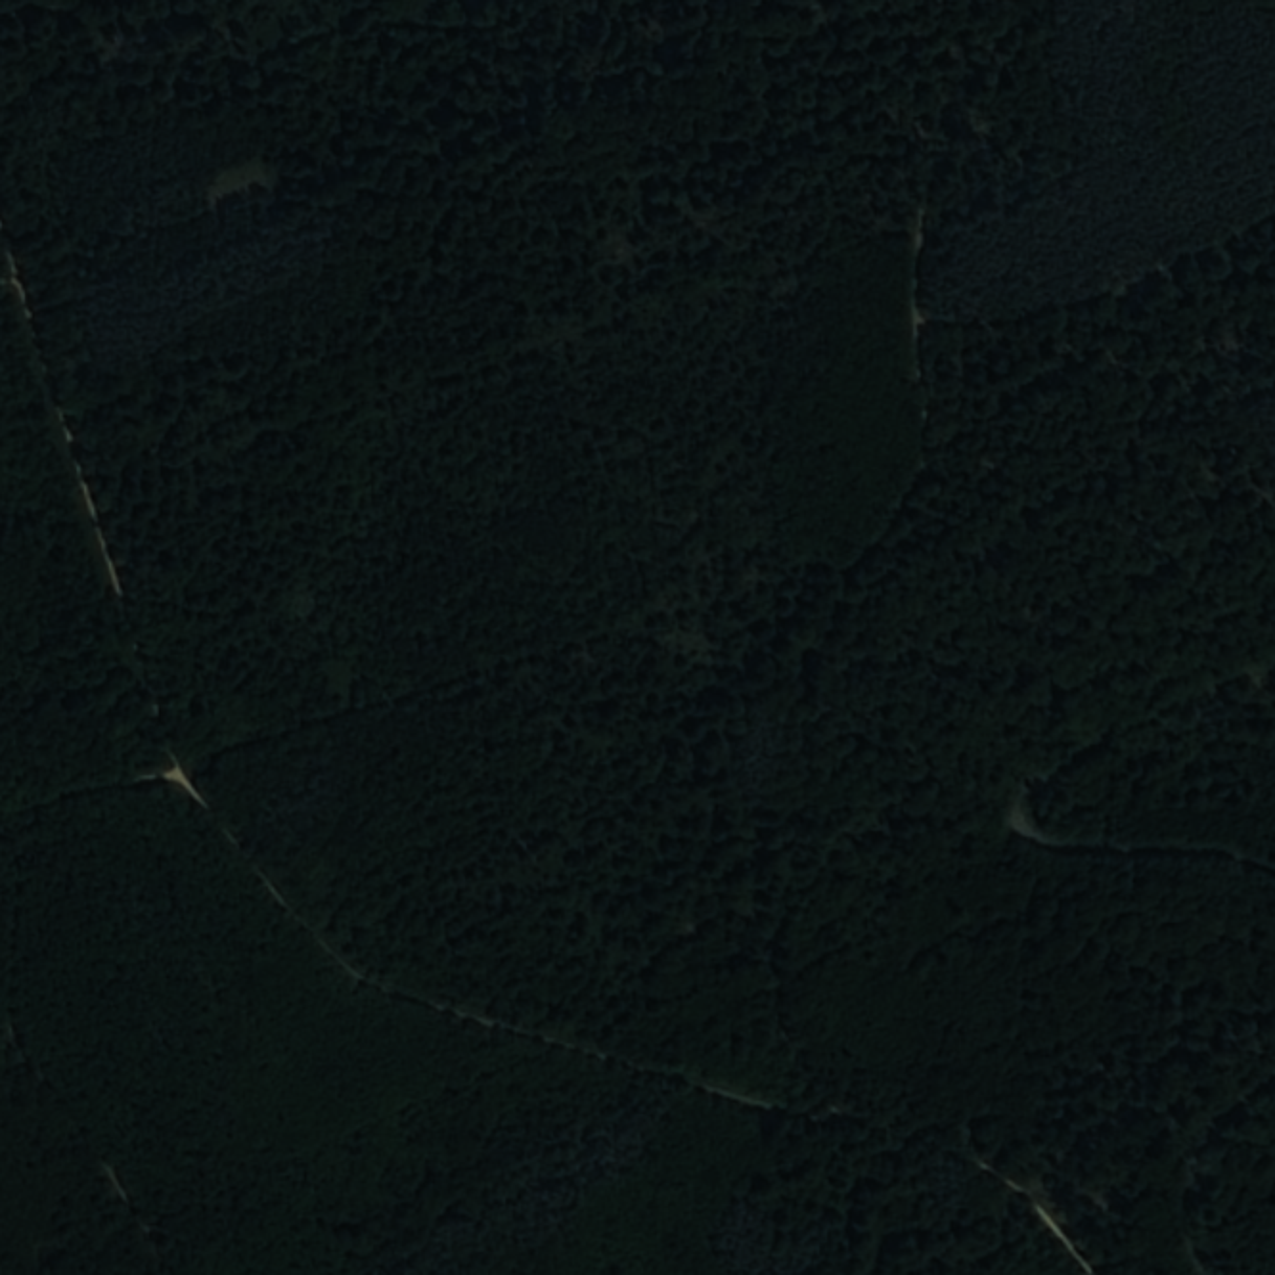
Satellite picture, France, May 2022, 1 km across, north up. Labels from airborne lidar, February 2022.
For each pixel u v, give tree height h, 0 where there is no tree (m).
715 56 33
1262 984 14
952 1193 23
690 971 15
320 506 22
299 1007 13
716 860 19
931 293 19
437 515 9
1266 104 24
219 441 16
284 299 13
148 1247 11
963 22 15
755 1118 13
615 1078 14
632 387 7
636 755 13
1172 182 23
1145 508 31
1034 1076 17
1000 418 15
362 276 12
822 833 31
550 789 8
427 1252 23
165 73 12
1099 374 31
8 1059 12
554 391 13
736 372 14
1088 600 33
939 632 29
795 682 23
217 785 17
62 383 22
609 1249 10
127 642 12
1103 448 29
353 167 19
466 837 9
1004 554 30
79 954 19
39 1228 14
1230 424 29
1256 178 24
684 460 11
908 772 30
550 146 31
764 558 12
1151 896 18
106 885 18
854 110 32
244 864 15
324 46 15
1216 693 34
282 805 15
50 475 8
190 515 18
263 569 14
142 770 11
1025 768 26
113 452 25
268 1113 12
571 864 12
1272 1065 14
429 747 9
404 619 13
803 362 16
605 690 11
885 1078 19
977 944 13
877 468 12
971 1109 18
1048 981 13
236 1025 15
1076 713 32
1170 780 17
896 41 22
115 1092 20
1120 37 27
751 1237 22
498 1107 9
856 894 27
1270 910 19
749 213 28
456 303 13
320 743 13
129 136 15
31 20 26
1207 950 19
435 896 15
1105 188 24
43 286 20
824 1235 19
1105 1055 19
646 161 30
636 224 0
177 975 20
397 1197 13
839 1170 27
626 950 19
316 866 9
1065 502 31
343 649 8
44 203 12
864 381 11
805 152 28
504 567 15
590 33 34
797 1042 19
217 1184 13
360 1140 7
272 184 0
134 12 20
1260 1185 16
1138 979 18
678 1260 18
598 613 10
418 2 0
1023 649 32
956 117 14
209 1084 20
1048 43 24
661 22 37
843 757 32
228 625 6
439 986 13
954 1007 12
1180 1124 40
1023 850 15
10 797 19
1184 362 27
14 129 14
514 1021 14
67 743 24
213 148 16
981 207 40
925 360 14
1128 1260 15
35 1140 13
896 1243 18
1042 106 12
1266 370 25
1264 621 29
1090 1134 22
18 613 18
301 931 14
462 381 10
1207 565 35
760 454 11
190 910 22
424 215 33
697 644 0
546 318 10
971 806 29
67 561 12
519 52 23
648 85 32
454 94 34
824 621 19
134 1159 18
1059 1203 30
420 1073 11
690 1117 15
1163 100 21
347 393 15
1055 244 25
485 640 9
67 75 21
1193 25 23
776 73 26
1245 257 31
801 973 19
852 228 23
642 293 19
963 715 32
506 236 11
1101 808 15
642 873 10
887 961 18
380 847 8
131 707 19
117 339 25
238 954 16
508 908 13
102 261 20
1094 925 13
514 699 12
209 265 23
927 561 31
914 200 20
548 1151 18
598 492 7
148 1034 24
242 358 16
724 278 17
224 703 8
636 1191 14
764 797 28
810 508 14
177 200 20
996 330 16
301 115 16
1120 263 24
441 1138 12
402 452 7
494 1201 21
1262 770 16
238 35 34
